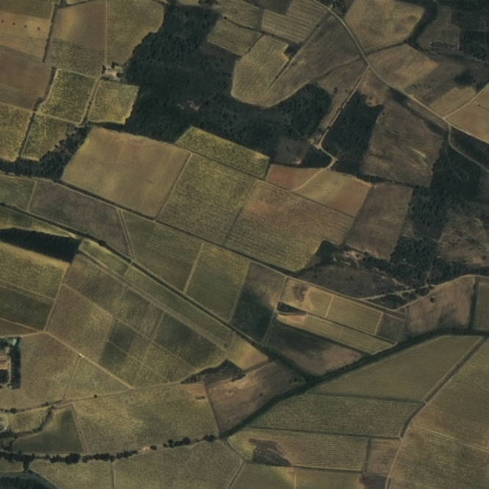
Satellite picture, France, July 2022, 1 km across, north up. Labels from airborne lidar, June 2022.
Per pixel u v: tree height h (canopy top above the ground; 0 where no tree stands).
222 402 0
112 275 0
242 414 0
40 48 0
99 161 0
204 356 0
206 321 0
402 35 0
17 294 0
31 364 0
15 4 0
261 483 0
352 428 0
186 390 0
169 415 0
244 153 0
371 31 0
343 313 0
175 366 0
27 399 0
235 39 0
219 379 0
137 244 0
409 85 0
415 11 0
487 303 0
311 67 0
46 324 0
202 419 0
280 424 0
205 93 9
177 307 0
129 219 0
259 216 0
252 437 0
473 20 0
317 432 0
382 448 0
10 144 0
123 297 0
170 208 0
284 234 0
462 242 0
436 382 0
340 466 0
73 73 0
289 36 0
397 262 11
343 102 0
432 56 0
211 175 0
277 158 0
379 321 0
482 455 0
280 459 0
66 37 0
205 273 0
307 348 0
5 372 8
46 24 0
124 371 0
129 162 0
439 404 0
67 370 0
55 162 8
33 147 0
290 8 0
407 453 0
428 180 0
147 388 0
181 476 0
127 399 0
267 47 0
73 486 0
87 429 0
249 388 0
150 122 11
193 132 0
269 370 0
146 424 0
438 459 0
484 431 0
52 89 0
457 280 0
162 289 0
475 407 0
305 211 0
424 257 12
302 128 8
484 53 7
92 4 0
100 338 0
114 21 0
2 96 0
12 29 0
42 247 6
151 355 0
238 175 0
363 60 0
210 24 10
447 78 0
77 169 0
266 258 0
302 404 0
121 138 0
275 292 0
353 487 0
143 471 0
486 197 0
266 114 0
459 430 0
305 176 0
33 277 0
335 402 0
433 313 0
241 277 0
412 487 0
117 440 0
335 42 0
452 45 0
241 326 0
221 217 0
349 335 0
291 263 0
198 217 0
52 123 0
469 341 0
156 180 0
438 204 11
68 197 0
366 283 0
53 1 0
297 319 0
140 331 0
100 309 0
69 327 0
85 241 0
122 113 0
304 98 7
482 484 0
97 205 0
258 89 0
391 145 0
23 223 0
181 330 0
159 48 14
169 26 14
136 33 0
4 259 0
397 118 0
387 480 0
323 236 0
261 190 0
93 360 0
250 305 0
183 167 0
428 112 0
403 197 0
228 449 0
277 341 0
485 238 0
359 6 0
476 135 0
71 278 0
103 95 0
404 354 0
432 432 0
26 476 0
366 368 0
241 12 0
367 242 0
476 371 0
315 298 0
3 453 8
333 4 7
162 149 0
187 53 9
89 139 0
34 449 0
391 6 0
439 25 0
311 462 0
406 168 0
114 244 0
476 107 0
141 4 0
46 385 0
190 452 0
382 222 0
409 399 0
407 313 0
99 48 0
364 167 0
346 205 0
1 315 0
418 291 8
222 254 0
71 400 0
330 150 10
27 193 0
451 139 0
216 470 0
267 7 0
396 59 0
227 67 0
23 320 0
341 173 0
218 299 0
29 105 0
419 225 0
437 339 0
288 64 0
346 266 0
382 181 10
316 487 0
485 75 0
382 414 0
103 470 0
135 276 0
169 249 0
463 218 0
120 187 0
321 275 0
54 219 0
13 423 0
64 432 0
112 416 0
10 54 0
